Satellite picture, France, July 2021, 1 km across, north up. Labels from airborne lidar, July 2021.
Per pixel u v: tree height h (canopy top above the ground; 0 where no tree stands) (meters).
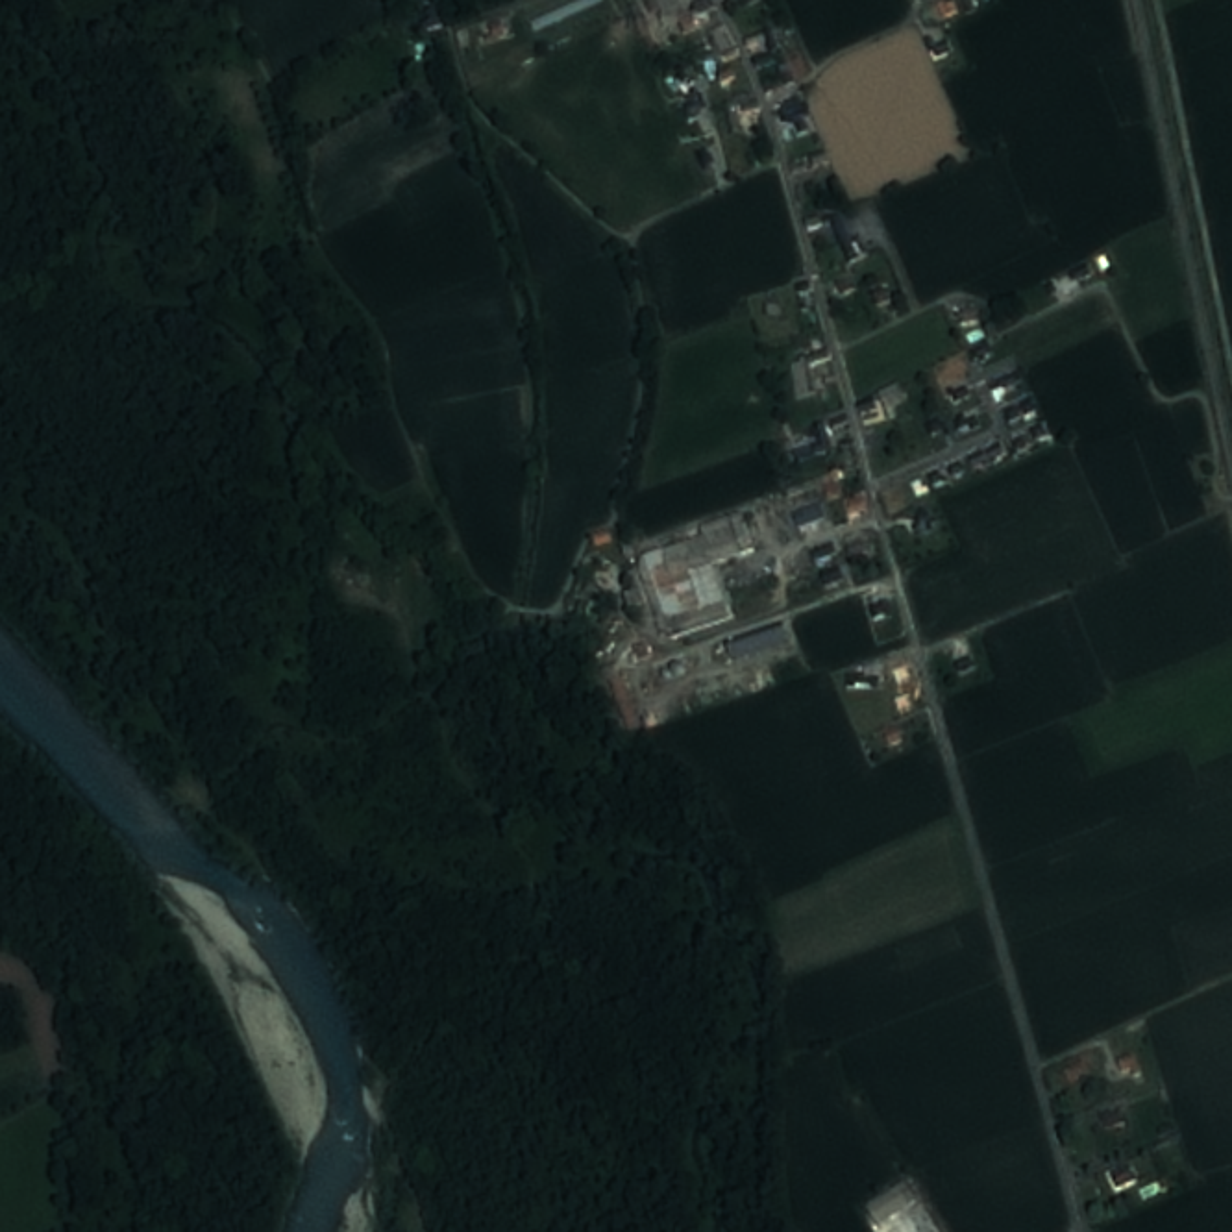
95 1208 24
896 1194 0
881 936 0
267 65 0
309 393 21
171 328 29
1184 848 0
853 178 0
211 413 32
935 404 9
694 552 0
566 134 0
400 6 18
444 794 9
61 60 23
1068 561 0
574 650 21
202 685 17
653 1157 13
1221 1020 0
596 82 0
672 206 0
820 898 0
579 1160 8
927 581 0
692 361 0
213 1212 18
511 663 19
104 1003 23
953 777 0
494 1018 14
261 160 0
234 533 21
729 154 0
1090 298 0
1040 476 0
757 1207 23
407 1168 16
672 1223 33
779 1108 18
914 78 0
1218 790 0
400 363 0
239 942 0
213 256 24
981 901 0
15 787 17
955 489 0
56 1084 16
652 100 0
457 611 8
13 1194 0
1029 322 0
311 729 12
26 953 22
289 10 0
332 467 17
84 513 22
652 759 17
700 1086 16
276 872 11
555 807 17
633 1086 10
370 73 0
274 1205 28
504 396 0
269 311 19
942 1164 0
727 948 18
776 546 0
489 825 8
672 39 7
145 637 16
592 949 16
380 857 15
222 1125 22
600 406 0
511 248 13
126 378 14
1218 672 0
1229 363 0
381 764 13
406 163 0
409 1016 13
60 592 24
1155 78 0
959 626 0
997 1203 0
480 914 17
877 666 0
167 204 16
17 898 19
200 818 11
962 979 0
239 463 25
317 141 11
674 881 14
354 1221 0
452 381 0
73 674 15
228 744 15
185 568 11
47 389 17
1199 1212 0
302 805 20
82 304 13
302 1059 0
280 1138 25
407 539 24
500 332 0
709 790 11
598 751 8
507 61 0
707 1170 6
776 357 7
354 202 0
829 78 0
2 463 25
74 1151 27
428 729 10
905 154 0
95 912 20
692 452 0
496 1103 11
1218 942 0
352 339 14
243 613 17
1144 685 0
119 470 22
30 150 11
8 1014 17
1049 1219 0
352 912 15
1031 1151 0
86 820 12
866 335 0
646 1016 17
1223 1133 0
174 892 0
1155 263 0
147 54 22
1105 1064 0
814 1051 10
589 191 0
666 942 18
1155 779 0
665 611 0
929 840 0
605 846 16
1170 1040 0
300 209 8
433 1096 16
